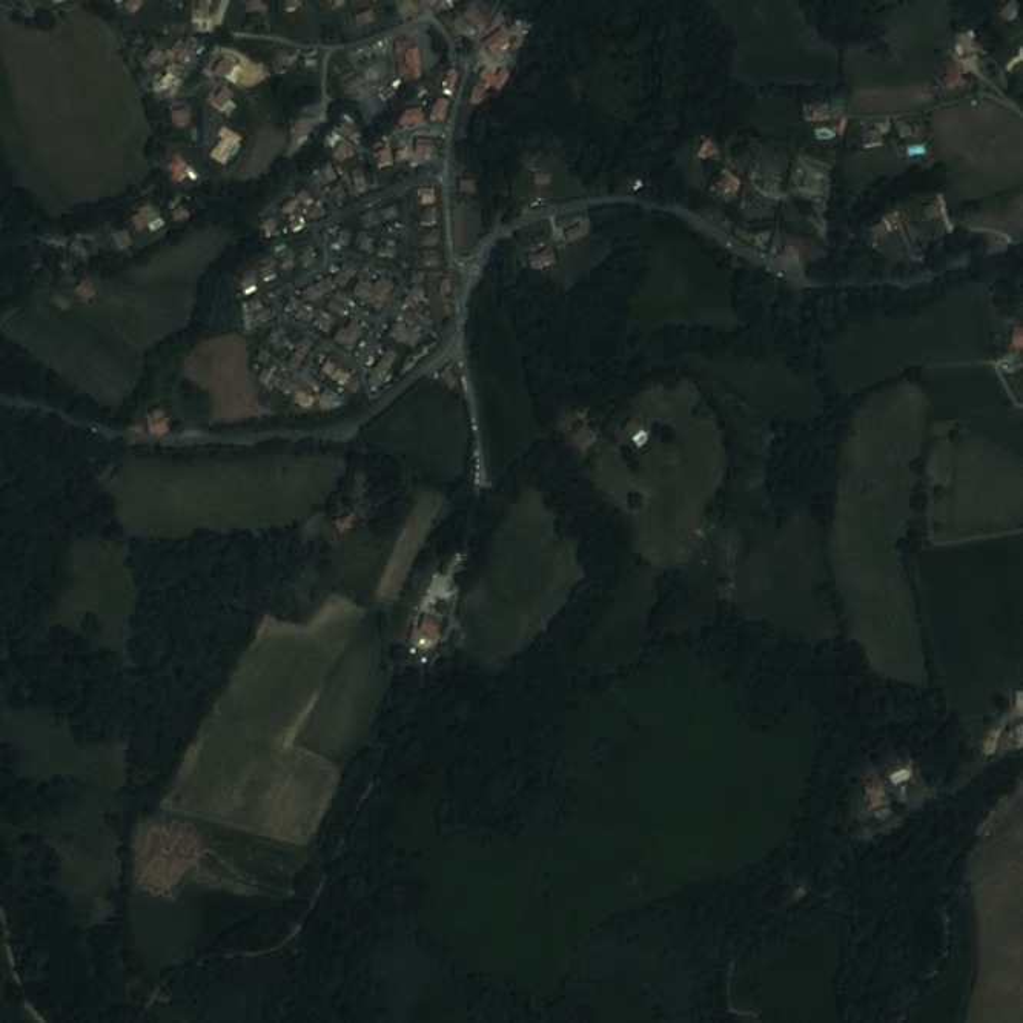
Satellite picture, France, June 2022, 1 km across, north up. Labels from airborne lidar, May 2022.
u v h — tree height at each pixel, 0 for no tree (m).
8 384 26
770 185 0
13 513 19
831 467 17
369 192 7
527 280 16
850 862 15
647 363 14
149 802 14
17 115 0
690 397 0
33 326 0
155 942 0
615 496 0
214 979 8
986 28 17
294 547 23
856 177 0
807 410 0
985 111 0
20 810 24
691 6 28
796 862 19
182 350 17
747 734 0
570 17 28
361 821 11
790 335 24
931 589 0
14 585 21
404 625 0
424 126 0
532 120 26
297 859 0
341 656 0
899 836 15
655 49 16
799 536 0
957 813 15
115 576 0
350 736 0
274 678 0
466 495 22
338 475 0
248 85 0
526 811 19
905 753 14
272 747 0
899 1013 9
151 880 0
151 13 0
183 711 19
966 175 0
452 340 0
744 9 0
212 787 0
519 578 0
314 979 8
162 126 8
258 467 0
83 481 16
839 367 0
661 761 0
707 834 0
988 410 0
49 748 0
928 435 0
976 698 0
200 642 17
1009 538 0
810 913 9
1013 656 0
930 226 0
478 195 8
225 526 0
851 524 0
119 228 12
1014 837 0
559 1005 12
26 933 10
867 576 0
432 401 0
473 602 0
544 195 0
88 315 0
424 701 16
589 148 10
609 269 19
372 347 0
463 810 12
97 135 0
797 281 0
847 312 24
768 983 0
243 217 10
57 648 13
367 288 0
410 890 13
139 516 0
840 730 13
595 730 0
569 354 26
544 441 11
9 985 8
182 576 17
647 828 0
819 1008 0
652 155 21
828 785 19
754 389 0
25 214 25
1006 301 7
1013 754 6
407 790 13
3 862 20
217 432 7
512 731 18
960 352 0
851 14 29
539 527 0
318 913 11
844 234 18
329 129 7
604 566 20
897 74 0
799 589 0
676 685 0
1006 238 0
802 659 23
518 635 0
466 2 9
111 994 19
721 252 12
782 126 0
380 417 7
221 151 0
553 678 16
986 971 0
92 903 0
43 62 0
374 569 0
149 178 8
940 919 6
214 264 8
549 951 0
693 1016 7
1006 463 0
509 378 0
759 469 0
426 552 8
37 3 0
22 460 10
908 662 0
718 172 6
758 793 0
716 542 0
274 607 15
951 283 15
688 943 9
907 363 0
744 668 16
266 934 11
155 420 0
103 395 0
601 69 0
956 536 0
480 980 13
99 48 0
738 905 14
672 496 0
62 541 18
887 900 7
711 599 0
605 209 14
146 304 0
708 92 23
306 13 0
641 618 0
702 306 0
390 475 16
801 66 0
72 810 0
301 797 0
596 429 10
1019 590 0
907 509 0
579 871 0
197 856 0
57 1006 23
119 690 23
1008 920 0
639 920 13
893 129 7
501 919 0
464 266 0
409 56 0
